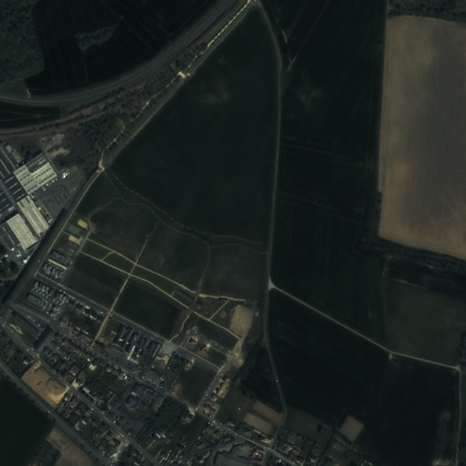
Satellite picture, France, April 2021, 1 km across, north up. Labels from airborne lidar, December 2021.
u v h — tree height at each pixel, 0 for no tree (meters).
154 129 0
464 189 0
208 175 0
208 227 0
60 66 0
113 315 0
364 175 0
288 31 0
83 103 0
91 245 0
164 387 7
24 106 0
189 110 0
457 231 0
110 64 0
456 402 0
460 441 0
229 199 0
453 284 0
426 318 0
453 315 0
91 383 8
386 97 0
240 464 0
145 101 7
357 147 0
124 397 0
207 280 0
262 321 0
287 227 0
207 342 0
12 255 0
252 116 0
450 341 0
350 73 0
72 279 0
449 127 0
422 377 0
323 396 0
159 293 0
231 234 0
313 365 0
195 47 0
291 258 0
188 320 0
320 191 0
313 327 0
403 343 0
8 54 30
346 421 0
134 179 0
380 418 0
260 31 0
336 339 0
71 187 0
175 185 0
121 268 0
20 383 0
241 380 0
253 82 0
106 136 15
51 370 0
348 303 0
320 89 0
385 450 0
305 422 0
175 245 0
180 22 0
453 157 0
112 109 6
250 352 0
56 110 0
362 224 0
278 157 0
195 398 0
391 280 0
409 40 0
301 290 0
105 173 0
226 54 0
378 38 0
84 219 0
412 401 0
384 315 0
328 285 0
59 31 0
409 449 0
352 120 0
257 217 0
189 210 0
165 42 0
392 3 12
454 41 0
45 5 0
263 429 0
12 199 0
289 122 0
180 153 0
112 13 0
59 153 0
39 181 0
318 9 0
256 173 0
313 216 0
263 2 0
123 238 0
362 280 0
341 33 0
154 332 0
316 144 0
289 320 0
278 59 0
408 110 0
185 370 0
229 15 0
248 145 0
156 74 0
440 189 0
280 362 0
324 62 0
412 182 0
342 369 0
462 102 0
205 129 0
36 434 0
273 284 0
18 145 0
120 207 0
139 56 0
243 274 0
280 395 0
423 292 0
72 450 0
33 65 32
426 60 0
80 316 0
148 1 0
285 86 0
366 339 0
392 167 0
